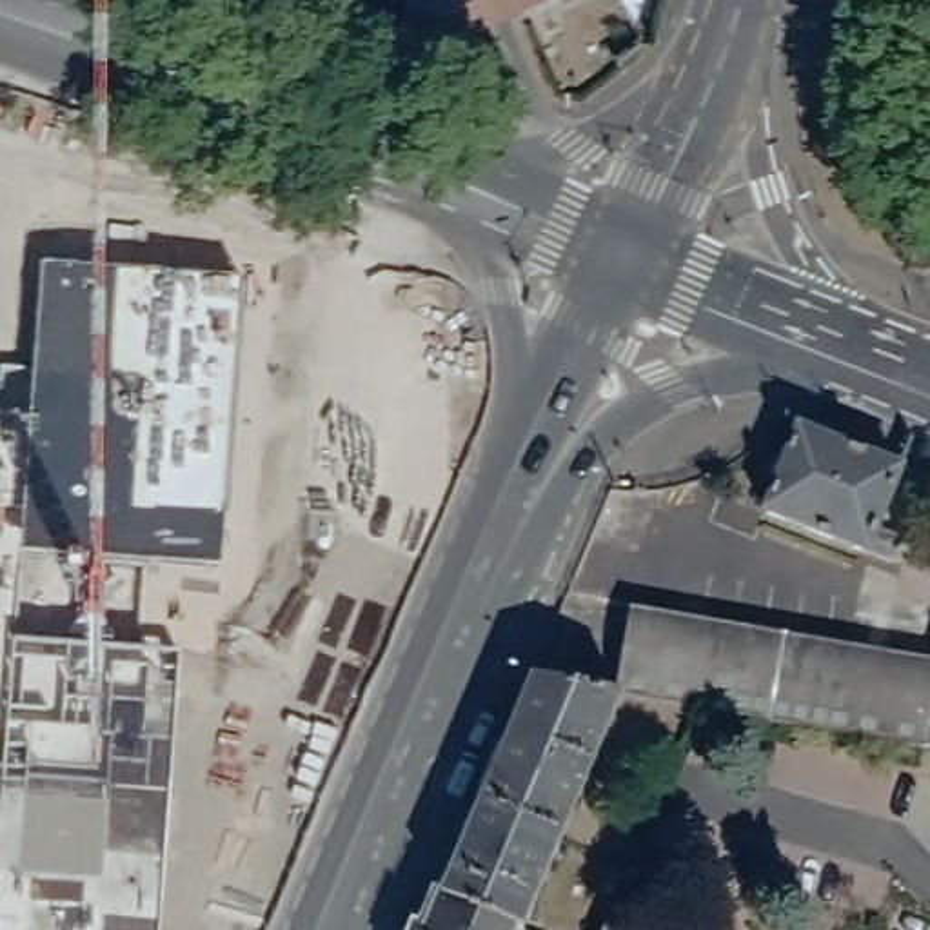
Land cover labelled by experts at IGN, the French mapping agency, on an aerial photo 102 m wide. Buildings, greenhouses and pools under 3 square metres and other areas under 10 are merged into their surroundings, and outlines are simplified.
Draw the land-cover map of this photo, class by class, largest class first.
<instances>
[{"label":"impervious surface","instance_id":"1","mask_svg":"<svg viewBox=\"0 0 930 930\"><path fill-rule=\"evenodd\" d=\"M131 69L109 58H94V15H80L69 0H0V80L15 87L51 91L54 109H84L91 98L94 105H109L113 91H127ZM570 4L592 7L599 0H541L534 7H523L519 18L498 22L490 29L494 40L505 62L516 69V91L530 102V116L519 120L523 142L516 145V156L505 167L490 171L480 185H469V196H458L454 211H425L429 203L421 200V193L389 182L385 163H374L371 193H345L360 207L371 203L403 214L436 233L440 240H447L450 258L443 262V272L450 276V283H440V302L432 309L443 316H465V327L458 331L461 341H483L487 349L483 392L472 425L450 461V476L436 505L429 538L418 549V556H411L407 538L396 541L385 530L371 534V527H363L360 534L341 530L334 534V545L323 549V563L309 589V607L302 610L291 636L269 643L251 628H233V643L214 639L211 654H178L163 850L149 854L156 861V930H403V919L421 905L429 883L443 876L450 861L461 821L480 792L483 770L505 734L527 672L556 668L567 676L614 679L632 603L930 654V570L908 563L901 567V574H861L828 567L821 559L767 541V494L774 483L781 447L788 443L796 418H810L850 440L894 450L908 461L886 519L894 541L901 545L908 498L930 490V265H897L868 251H857L846 236L828 229L825 203L810 200V189H817L814 178H821L828 167L814 153L806 149V131L799 124L796 80L785 65V25L799 29L814 0H665L654 44H636L621 51L618 65V73L592 94L559 98L541 80L534 51L523 36V18H534L538 36L545 40L563 33V11ZM687 777L661 803L658 817L625 832V839L618 843L621 872L632 865H647L650 872H658L668 861L672 843L694 832H708L712 854L730 850L745 897L748 890L788 894V886L796 883H803L806 890L836 894L850 876V894L876 908L886 897L890 876L908 883V890H915L930 905V741L923 745V763L915 767V774H901L897 763L865 767L850 748L836 745L774 748V788L767 792L719 788L723 770H708L701 756L690 752L683 759Z\"/></svg>","mask_w":930,"mask_h":930},{"label":"building","instance_id":"2","mask_svg":"<svg viewBox=\"0 0 930 930\"><path fill-rule=\"evenodd\" d=\"M374 15H392L396 51L411 58H421L425 44L443 36H458L469 44L494 40L490 29L498 22L519 18L523 7H534L541 0H363ZM265 294L254 276L236 280L233 272L207 276L200 269L105 262V240L91 236V258H40L29 407H0V527L15 523L25 545L69 549L73 567L94 559V552L218 559L225 516L214 509L222 505L225 472L233 345H222L214 331L225 327L229 309H254ZM908 461L894 450L850 440L810 418H796L788 443L781 447L774 483L767 494V519L803 530L817 541L850 549L857 556H876L901 567L908 563V545H901L894 541L886 519ZM705 687H719L745 716H767L777 723L803 719L839 730H876L879 741L923 745L930 741V654L632 603L614 679L567 676L556 668L527 672L505 734L483 770L480 792L461 821L450 861L443 876L429 883L421 905L403 919V930H512L516 915L527 912V901L538 890L556 832L563 828L574 799L585 796V781L618 712L625 705H636L654 712L668 727L679 723L683 698ZM87 636L80 639L25 636L4 625L0 650V930H156V861L149 854L163 850L178 654L174 639H109L105 621L91 610L80 614Z\"/></svg>","mask_w":930,"mask_h":930},{"label":"pervious surface","instance_id":"3","mask_svg":"<svg viewBox=\"0 0 930 930\"><path fill-rule=\"evenodd\" d=\"M94 105L91 98L84 109H54L51 91L15 87L0 80V407H29L40 258H91V236L105 240V262L200 269L207 276L233 272L236 280L254 276L265 294L254 309H229L225 327L214 331L222 345H233L225 472L222 505L214 509L225 516L218 559L94 552V559L73 567L69 549L25 545L15 523L0 527V650L4 625L25 636L80 639L87 636L80 614L91 610L105 621L109 639H174L178 654H211L214 639L233 643V628H251L269 643L291 636L302 610L309 607V589L323 563V549L334 545V534L341 530L360 534L363 527H371V534L385 530L396 541L407 538L411 556H418V549L429 538L436 505L450 476V461L472 425L483 392L487 349L483 341H461L458 331L465 327V316H443L432 309L440 302V283H450V276L443 272V262L450 258L447 240H440L436 233L403 214L371 203L360 207L356 233L312 236L272 229L276 203H254V196L247 193H229L207 211L182 214L174 211L171 174L149 171V163H142L138 153H120L105 160L87 156L80 138L91 134Z\"/></svg>","mask_w":930,"mask_h":930},{"label":"deciduous trees","instance_id":"4","mask_svg":"<svg viewBox=\"0 0 930 930\"><path fill-rule=\"evenodd\" d=\"M80 15H94V58H109L131 69L127 91H113L109 105H94L91 134L80 138L87 156L105 160L120 153H138L142 163H149V171L171 174L174 211L182 214L207 211L229 193H247L254 196V203H276L272 229L312 236L356 233L360 207L345 193H371L374 163H385L389 182L421 193V200L429 203L425 211H454L458 196H469V185H480L490 171L505 167L516 156V145L523 142L519 120L530 116V102L516 91V69L505 62L494 40L469 44L458 36H443L425 44L421 58H411L396 51L392 15H374L363 0H69ZM836 47L825 62L821 84L825 134H817L814 153L828 167L832 185L839 189L850 214L861 225L883 233V240L897 254V265H930V0H839L832 15ZM901 545H908V563L930 570V490L908 498ZM745 730V716L719 687H705L683 698L679 723L668 727L665 737L628 752L618 767V781L610 785V792L589 803V810L599 814V828L625 832L658 817L661 803L687 777L683 759L690 752L701 756L719 745H730ZM599 908L614 915L607 930H734V912L745 908V897L730 850L712 854L708 832H694L672 843L668 861L658 872H650L647 865H632L621 872L610 883H603L592 897Z\"/></svg>","mask_w":930,"mask_h":930},{"label":"herbaceous vegetation","instance_id":"5","mask_svg":"<svg viewBox=\"0 0 930 930\"><path fill-rule=\"evenodd\" d=\"M563 33L545 40L552 69L563 84H581L603 62L618 65L621 51L636 44L632 18H625L621 0H599L592 7L570 4L563 11ZM839 0H814L799 29L785 25V65L796 80L799 124L806 131V149L814 153L817 134H825L821 84L825 62L836 47L832 15ZM817 189H810V200L825 203L828 229L846 236L857 251H868L897 265V254L883 240V233L861 225L850 214L839 189L832 185L828 167L821 178H814ZM767 541L821 559L828 567L861 574H901V567L876 556H857L850 549L817 541L803 530L767 519ZM668 727L654 712L636 705H625L618 712L585 781V796L574 799L563 828L556 832L538 890L527 901V912L516 915L512 930H607L614 915L599 908L592 897L603 883H610L621 872L618 843L625 839V832L599 828V814L589 810V803L610 792V785L618 781V767L628 752L665 737ZM806 930H883L886 919L876 908L850 894V876L836 894L806 890Z\"/></svg>","mask_w":930,"mask_h":930},{"label":"brushwood","instance_id":"6","mask_svg":"<svg viewBox=\"0 0 930 930\"><path fill-rule=\"evenodd\" d=\"M665 0H621L625 18H632L636 44H654ZM523 36L534 51L541 80L559 98L592 94L618 73V65L603 62L581 84H563L552 69L545 40L538 36L534 18H523ZM745 730L759 741H770L774 748L836 745L850 748L865 767L897 763L901 774H915V767L923 763V745L879 741L876 730H839L803 719L777 723L767 716H745ZM886 919L883 930H930V905L915 890H908V883L890 876L886 897L876 908Z\"/></svg>","mask_w":930,"mask_h":930},{"label":"coniferous trees","instance_id":"7","mask_svg":"<svg viewBox=\"0 0 930 930\"><path fill-rule=\"evenodd\" d=\"M774 748L770 741H759L745 730L730 745H719L701 756L708 770H723L719 788L767 792L774 788ZM806 890L803 883H796L788 886V894L748 890L745 897V908L734 912V930H806Z\"/></svg>","mask_w":930,"mask_h":930}]
</instances>
